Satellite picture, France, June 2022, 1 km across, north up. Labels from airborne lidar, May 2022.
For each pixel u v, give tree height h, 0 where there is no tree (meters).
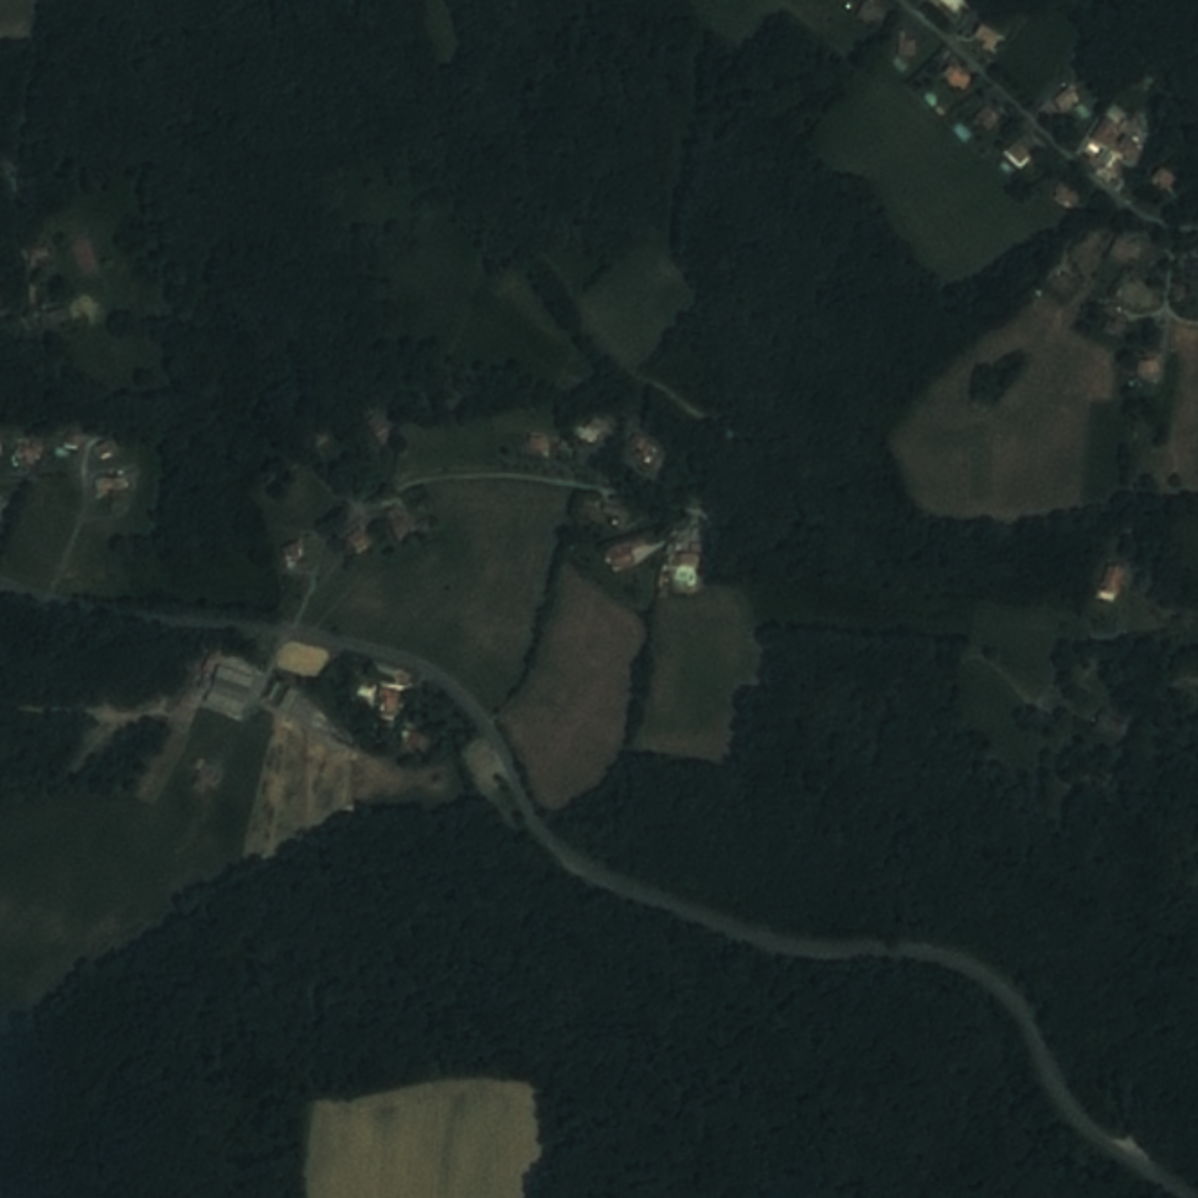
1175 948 14
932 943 22
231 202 29
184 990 25
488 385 16
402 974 24
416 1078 18
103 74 29
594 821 8
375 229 10
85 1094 24
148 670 19
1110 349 0
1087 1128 0
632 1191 25
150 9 24
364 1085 20
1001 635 0
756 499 28
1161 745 21
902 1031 25
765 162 22
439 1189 0
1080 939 22
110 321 10
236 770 0
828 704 9
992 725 0
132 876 0
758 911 21
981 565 25
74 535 0
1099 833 26
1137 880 30
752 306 17
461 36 16
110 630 23
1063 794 0
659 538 11
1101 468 0
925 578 19
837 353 21
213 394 19
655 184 23
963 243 0
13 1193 22
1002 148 8
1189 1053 23
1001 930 26
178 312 14
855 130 0
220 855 0
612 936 25
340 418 22
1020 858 24
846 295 21
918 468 0
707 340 14
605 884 0
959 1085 26
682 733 0
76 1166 23
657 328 0
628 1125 26
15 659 25
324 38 24
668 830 19
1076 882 23
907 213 0
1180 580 20
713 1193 21
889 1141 21
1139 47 22
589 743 0
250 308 29
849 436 25
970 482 0
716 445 12
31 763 11
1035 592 17
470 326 0
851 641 21
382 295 16
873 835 26
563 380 0
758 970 30
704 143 21
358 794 0
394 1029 25
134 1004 13
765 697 21
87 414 22
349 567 6
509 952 19
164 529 17
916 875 27
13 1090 18
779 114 26
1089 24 19
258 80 20
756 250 31
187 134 28
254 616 13
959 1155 26
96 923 0
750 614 0
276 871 25
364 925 23
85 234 0
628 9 20
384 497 13
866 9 0
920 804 25
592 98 19
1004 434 0
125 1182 25
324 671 7
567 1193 26
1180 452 0
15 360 24
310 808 0
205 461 20
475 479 0
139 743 18
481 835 24
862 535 26
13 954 0
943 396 0
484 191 21
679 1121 20
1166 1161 19
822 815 27
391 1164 0
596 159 29
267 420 24
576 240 20
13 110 14
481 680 0
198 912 23
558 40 21
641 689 14
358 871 22
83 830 0
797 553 22
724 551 22
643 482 16
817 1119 19
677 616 0
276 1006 23
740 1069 25
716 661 0
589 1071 25
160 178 26
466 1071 23
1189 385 0
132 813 0
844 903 23
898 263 25
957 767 22
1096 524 14
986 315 23
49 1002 16
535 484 0
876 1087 26
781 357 27
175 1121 27
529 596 0
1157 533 23
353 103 22
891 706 17
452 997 25
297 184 23
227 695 0
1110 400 0
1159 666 19
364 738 10
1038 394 0
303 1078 7
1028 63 0
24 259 9
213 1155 26
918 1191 23
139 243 9
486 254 12
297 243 24
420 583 0
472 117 21
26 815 0
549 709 0
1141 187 16
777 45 20
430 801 0
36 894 0
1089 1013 22
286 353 19
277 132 22
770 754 28
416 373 15
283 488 21
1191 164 25
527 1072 15
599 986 26
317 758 0
